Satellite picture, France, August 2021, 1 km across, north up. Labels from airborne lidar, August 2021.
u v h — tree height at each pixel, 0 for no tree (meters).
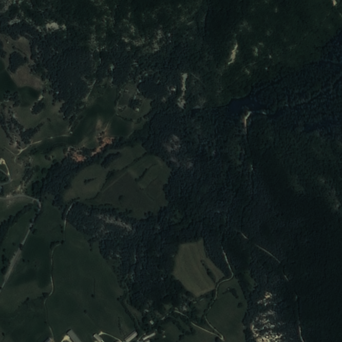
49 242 0
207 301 0
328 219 18
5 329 0
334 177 10
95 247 0
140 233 11
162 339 0
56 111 0
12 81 0
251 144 15
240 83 11
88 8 9
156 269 14
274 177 20
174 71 20
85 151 8
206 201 19
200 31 10
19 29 11
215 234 19
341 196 10
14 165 0
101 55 17
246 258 14
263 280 12
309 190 12
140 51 10
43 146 0
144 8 11
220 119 15
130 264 9
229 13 18
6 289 0
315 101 15
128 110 0
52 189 12
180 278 0
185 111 10
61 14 7
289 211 19
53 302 0
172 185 16
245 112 7
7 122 9
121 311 0
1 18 13
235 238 13
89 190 0
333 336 11
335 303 11
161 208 9
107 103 0
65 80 11
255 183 16
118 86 10
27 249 0
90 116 0
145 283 11
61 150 0
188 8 6
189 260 0
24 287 0
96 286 0
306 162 10
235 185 17
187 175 14
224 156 20
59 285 0
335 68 13
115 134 0
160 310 16
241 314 0
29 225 0
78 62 11
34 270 0
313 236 20
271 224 12
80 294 0
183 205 20
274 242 15
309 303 20
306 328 6
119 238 8
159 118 19
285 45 8
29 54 0
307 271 10
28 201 0
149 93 16
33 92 0
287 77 15
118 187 0
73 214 9
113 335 0
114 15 7
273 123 21
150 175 0
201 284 0
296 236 16
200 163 14
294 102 28
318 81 16
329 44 21
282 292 13
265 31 9
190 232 13
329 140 6
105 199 0
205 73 7
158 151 13
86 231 8
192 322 10
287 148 8
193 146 21
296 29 8
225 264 11
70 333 0
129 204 0
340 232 15
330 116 19
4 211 0
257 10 9
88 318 0
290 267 16
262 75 12
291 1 11
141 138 11
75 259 0
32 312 0
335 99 23
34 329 0
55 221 0
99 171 0
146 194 0
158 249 13
